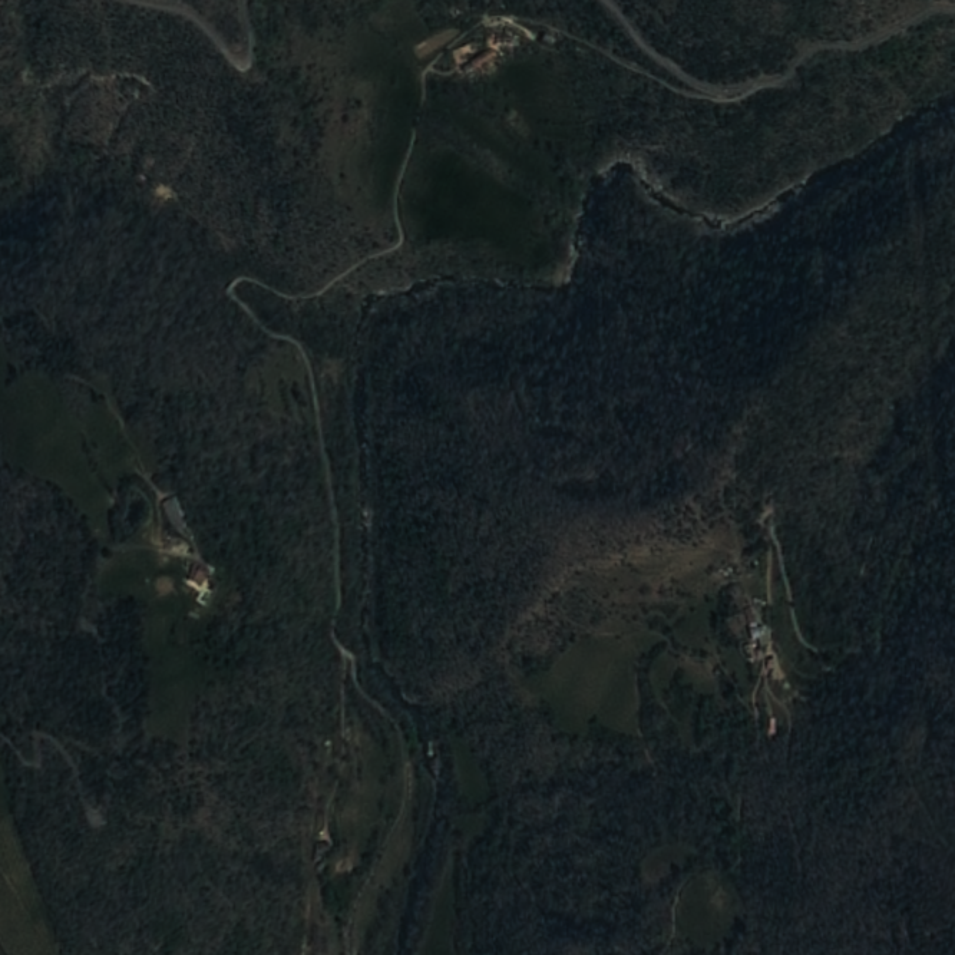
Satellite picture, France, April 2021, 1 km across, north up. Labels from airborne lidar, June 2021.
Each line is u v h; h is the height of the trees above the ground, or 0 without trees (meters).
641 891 19
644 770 15
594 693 0
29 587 14
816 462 15
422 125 14
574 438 14
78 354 15
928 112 17
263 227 9
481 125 0
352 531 14
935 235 8
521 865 15
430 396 11
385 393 7
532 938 13
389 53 0
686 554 0
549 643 11
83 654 9
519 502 9
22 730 9
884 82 6
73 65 7
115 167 13
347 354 6
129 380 13
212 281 29
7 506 13
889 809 9
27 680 12
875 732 6
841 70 9
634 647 0
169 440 7
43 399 0
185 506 6
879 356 8
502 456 9
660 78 14
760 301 9
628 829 23
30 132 10
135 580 0
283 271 9
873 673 16
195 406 8
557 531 7
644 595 14
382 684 16
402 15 0
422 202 0
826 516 6
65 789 7
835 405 10
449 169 0
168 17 7
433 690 6
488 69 6
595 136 9
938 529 7
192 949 10
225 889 10
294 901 10
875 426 20
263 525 13
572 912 6
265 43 7
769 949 11
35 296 14
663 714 15
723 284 9
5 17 9
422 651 17
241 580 6
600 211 16
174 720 0
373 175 0
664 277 12
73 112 12
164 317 22
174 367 14
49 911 8
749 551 10
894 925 9
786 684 0
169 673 0
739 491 7
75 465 0
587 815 7
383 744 7
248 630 13
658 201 0
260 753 10
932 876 13
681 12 7
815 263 12
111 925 7
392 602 12
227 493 11
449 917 0
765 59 8
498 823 19
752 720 6
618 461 18
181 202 6
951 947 12
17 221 11
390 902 20
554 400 15
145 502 13
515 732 9
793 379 8
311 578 8
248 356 15
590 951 13
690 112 11
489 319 18
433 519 8
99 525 0
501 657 9
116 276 16
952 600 17
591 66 14
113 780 7
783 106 9
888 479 8
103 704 7
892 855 9
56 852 6
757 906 14
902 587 10
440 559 9
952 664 13
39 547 18
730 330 9
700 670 0
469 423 15
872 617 17
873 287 12
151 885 10
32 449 0
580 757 14
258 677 6
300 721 14
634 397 13
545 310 17
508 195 0
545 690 0
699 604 0
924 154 19
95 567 9
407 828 0
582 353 9
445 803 17
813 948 12
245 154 6
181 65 6
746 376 9
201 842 17
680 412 17
